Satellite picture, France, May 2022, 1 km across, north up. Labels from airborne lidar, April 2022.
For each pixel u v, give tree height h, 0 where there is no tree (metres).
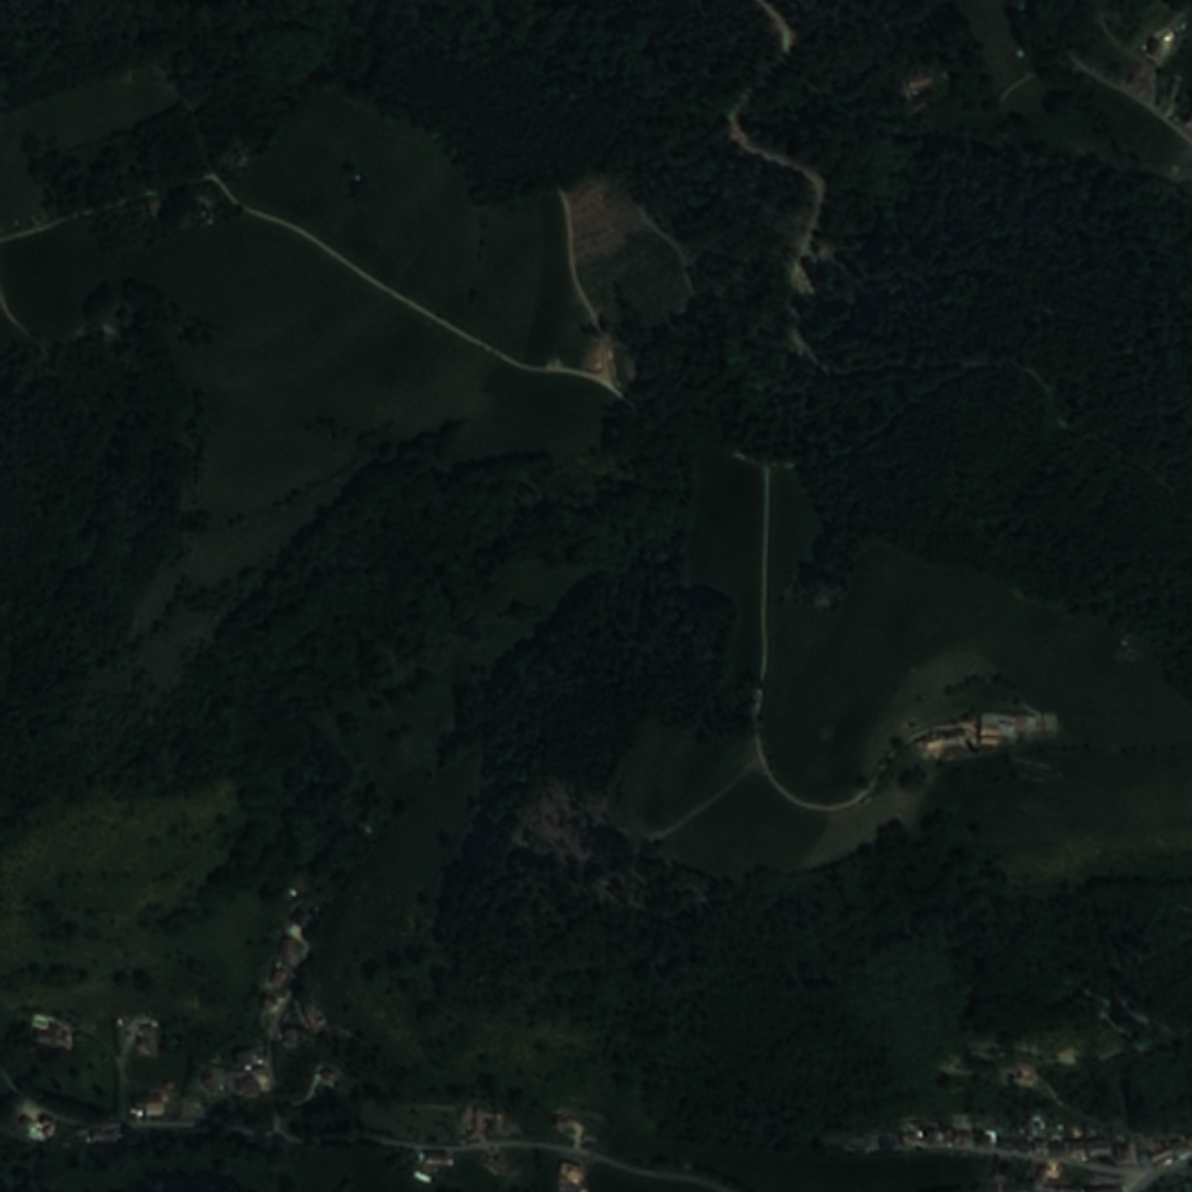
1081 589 9
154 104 0
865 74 26
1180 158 0
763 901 11
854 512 13
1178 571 12
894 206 34
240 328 0
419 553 26
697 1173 8
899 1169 0
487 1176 0
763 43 18
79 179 12
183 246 0
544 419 0
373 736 0
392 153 0
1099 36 19
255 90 14
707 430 23
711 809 0
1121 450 15
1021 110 0
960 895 6
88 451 23
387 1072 15
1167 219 12
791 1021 8
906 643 0
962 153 26
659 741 0
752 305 22
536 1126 0
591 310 0
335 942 0
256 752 22
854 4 27
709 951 15
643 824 0
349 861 14
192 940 0
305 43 27
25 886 0
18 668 12
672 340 19
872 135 26
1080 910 18
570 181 14
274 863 11
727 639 22
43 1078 0
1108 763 0
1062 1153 0
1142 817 0
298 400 0
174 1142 12
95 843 0
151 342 13
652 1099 19
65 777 6
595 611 24
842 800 0
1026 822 0
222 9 31
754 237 25
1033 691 0
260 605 11
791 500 0
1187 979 13
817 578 22
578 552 30
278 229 0
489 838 22
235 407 0
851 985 16
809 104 23
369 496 24
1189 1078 16
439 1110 0
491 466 15
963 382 12
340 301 0
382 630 26
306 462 0
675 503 23
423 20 29
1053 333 11
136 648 9
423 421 0
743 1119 24
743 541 0
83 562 23
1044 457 14
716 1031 10
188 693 6
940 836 12
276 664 11
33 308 0
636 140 17
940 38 25
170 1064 0
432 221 0
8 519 22
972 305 14
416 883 0
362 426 0
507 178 10
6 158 0
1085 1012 11
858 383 10
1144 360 16
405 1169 6
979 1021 19
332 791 34
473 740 15
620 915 12
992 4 0
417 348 0
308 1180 0
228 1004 0
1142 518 15
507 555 23
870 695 0
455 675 0
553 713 13
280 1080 0
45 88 20
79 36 26
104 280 0
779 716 0
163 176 16
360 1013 0
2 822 9
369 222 0
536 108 14
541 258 0
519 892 30
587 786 14
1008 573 9
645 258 0
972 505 11
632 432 20
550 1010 13
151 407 16
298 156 0
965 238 32
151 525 25
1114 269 10
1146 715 0
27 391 14
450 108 13
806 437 17
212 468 0
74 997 0
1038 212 30
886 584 0
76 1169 7
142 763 18
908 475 12
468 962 8
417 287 0
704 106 7
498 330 0
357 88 23
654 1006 5
